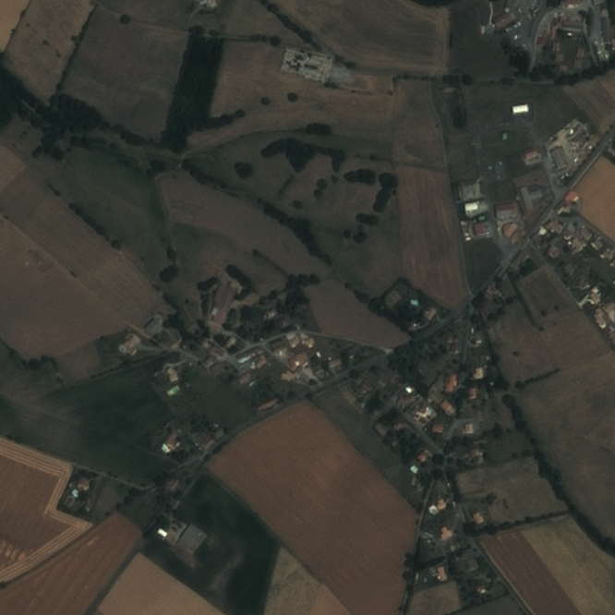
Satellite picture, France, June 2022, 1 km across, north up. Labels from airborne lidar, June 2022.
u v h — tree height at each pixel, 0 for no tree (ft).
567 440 0
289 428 0
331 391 0
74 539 0
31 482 0
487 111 0
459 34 0
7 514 0
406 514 0
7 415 0
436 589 0
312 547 0
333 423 0
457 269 0
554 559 0
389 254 0
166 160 0
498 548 0
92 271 0
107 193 0
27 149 0
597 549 0
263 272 0
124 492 0
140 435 0
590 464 0
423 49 0
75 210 26
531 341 0
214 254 0
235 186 0
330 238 0
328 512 0
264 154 43
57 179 0
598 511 0
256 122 0
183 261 0
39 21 0
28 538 0
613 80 0
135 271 0
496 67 0
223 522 0
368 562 0
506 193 0
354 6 0
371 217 51
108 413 0
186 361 0
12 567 0
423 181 0
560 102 0
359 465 0
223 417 0
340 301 0
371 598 0
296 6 0
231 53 0
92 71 0
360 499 0
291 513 0
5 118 59
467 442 35
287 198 0
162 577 0
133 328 0
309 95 0
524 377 0
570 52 0
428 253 0
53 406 0
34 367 41
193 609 0
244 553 0
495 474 0
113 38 0
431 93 0
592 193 0
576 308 0
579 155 0
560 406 0
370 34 0
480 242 0
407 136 0
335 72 0
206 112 23
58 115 58
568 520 0
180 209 0
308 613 0
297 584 0
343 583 0
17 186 0
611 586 0
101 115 45
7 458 0
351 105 0
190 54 27
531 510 0
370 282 0
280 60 0
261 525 0
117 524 0
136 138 68
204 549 0
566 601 0
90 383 0
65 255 0
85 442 0
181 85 28
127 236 0
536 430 0
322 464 0
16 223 0
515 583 0
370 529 0
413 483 0
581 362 0
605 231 0
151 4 0
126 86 0
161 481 46
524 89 0
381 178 46
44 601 0
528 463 0
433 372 0
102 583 0
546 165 0
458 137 0
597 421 0
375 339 0
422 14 0
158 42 0
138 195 0
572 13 0
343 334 0
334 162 32
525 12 0
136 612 0
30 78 0
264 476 0
